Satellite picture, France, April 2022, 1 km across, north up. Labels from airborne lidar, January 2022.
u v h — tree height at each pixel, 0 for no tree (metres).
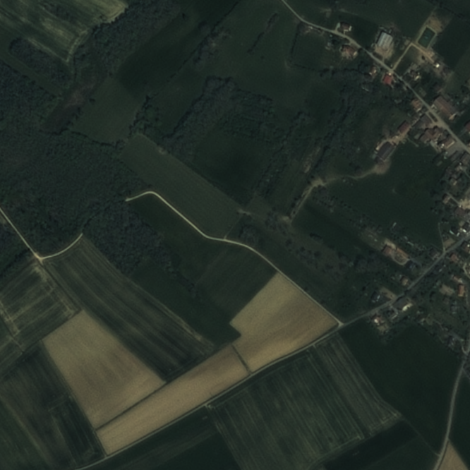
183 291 0
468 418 0
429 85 0
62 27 0
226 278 0
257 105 7
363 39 0
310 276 0
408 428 0
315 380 0
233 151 0
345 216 0
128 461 0
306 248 0
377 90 13
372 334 0
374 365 0
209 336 0
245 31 0
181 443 0
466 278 0
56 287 0
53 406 0
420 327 9
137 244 24
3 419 0
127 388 0
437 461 0
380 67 0
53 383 0
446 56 0
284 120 0
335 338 0
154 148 0
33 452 0
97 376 0
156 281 0
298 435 0
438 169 0
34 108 19
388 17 0
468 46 0
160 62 0
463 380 0
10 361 0
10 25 0
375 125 0
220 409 0
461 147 0
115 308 0
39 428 0
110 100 0
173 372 0
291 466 0
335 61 0
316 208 0
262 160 0
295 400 0
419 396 0
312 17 0
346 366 0
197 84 0
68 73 0
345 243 0
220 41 20
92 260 0
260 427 0
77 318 0
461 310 0
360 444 0
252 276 0
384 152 0
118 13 0
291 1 0
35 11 0
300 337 0
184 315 0
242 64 0
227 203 0
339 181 0
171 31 0
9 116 19
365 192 0
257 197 0
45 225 14
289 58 0
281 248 0
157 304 0
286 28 0
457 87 0
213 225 0
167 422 0
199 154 0
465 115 0
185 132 16
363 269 22
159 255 20
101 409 0
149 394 0
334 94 0
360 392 0
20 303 0
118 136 0
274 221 21
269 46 0
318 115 0
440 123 0
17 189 22
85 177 15
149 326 0
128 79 0
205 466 0
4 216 0
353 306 0
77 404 0
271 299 0
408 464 0
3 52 0
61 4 0
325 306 9
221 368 0
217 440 0
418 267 9
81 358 0
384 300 0
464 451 0
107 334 0
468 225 0
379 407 0
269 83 0
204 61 18
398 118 0
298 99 0
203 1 0
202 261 0
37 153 15
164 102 0
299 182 0
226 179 0
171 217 0
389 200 0
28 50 18
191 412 0
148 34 23
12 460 0
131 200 0
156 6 23
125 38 24
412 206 0
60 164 13
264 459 0
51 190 13
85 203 15
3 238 19
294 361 0
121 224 23
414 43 0
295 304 0
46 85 0
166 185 0
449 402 0
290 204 0
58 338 0
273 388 0
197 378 0
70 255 0
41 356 0
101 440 0
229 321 0
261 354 0
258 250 0
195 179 0
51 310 0
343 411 0
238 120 6
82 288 0
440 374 0
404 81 14
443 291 0
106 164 16
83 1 0
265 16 0
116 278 0
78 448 0
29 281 0
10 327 0
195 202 0
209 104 20
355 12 0
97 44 10
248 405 0
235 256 0
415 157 0
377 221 0
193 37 0
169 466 0
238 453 0
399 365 0
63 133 13
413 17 0
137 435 0
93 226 19
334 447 0
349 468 0
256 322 0
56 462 0
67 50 0
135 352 0
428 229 0
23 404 0
